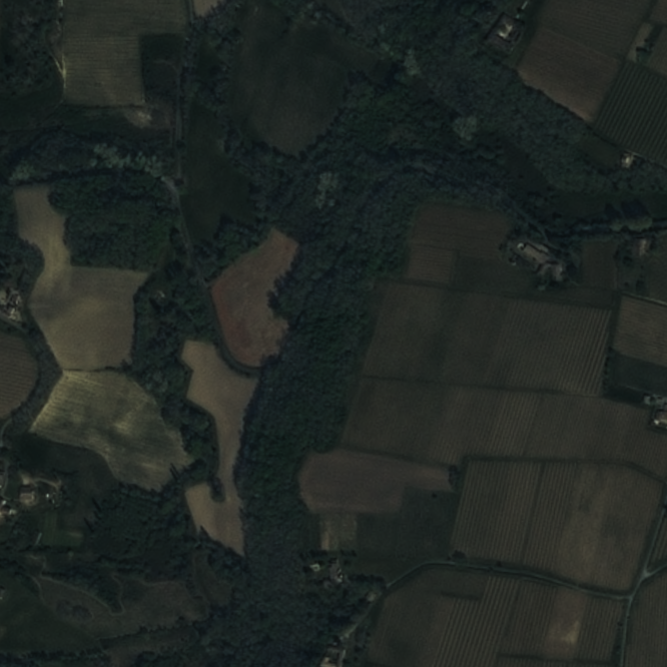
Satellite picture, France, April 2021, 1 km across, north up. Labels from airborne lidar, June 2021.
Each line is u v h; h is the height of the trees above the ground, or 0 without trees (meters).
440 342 0
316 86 0
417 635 0
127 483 0
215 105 17
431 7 29
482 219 0
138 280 0
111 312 0
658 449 0
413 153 7
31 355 0
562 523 0
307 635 21
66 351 0
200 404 0
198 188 0
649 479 0
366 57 0
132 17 0
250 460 14
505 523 0
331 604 20
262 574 24
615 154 0
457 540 0
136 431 0
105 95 0
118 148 33
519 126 15
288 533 21
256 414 17
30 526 6
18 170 28
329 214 18
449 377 0
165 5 0
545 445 0
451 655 0
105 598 6
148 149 13
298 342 21
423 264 0
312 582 13
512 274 0
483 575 0
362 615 16
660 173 16
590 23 0
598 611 0
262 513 17
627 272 0
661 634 0
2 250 19
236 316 0
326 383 18
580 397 0
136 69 0
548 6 0
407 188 22
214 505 0
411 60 31
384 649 0
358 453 0
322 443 16
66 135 16
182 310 12
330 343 21
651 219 31
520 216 18
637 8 0
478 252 0
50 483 0
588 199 0
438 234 0
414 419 0
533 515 0
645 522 0
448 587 0
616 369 0
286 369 17
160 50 0
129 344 0
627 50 0
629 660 0
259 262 0
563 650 0
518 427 0
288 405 21
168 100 6
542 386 0
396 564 0
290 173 12
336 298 23
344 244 21
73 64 0
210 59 0
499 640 0
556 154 22
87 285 0
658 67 0
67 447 0
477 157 11
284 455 21
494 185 9
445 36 23
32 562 0
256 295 0
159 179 18
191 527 16
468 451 0
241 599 22
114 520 9
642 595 0
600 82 0
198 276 15
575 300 0
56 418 0
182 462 0
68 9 0
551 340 0
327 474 0
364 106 13
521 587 0
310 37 0
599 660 0
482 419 0
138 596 0
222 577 20
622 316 0
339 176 29
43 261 19
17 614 0
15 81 14
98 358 0
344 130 15
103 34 0
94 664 0
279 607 24
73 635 0
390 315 0
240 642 27
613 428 0
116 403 0
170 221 22
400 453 0
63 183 23
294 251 0
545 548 0
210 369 0
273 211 27
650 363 0
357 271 21
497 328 0
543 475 0
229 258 25
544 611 0
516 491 0
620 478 0
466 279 0
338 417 13
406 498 0
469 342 0
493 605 0
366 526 0
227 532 0
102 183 22
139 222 19
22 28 14
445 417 0
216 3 0
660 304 0
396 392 0
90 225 19
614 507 0
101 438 0
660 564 0
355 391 0
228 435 0
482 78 19
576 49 0
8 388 0
